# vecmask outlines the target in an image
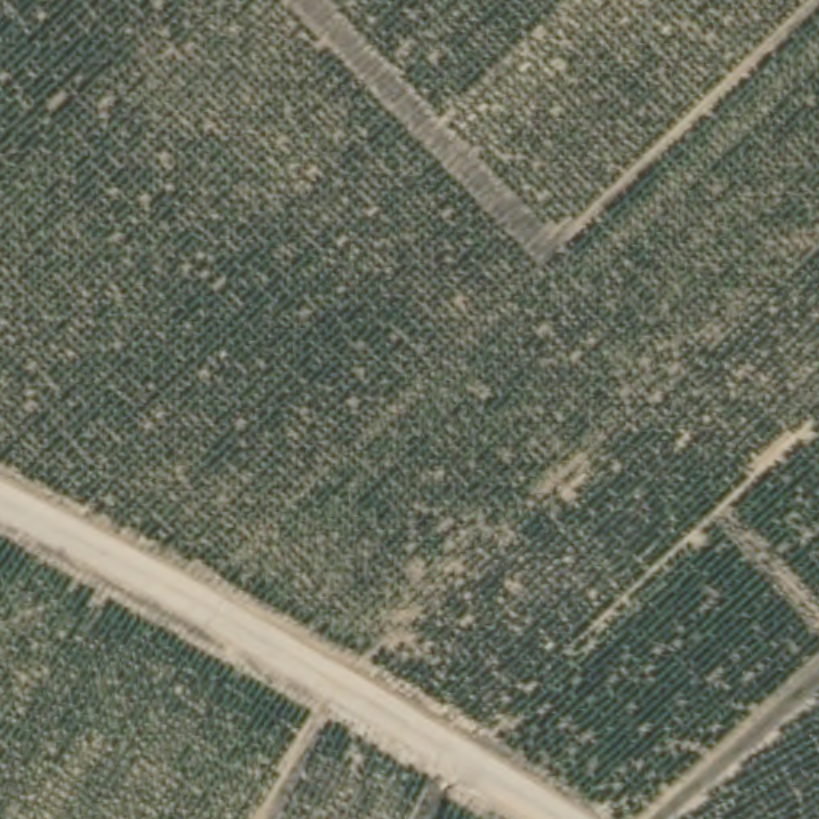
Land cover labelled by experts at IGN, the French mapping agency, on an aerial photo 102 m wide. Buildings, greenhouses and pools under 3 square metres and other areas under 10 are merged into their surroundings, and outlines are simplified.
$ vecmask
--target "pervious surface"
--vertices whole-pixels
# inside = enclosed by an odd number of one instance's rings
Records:
[[[259,605],[253,595],[237,592],[205,563],[182,560],[173,550],[160,550],[144,534],[115,528],[109,518],[93,515],[90,505],[58,496],[42,483],[22,477],[19,483],[10,483],[0,477],[0,534],[26,550],[32,544],[61,547],[74,560],[93,566],[96,573],[195,621],[224,643],[234,643],[243,653],[250,653],[262,669],[256,681],[272,685],[282,675],[307,685],[330,704],[336,723],[342,723],[349,733],[365,736],[397,761],[438,777],[441,790],[473,816],[502,813],[509,819],[592,819],[582,800],[566,800],[553,790],[553,781],[534,781],[528,771],[512,768],[509,761],[448,733],[441,723],[425,720],[416,707],[387,694],[381,685],[358,678],[355,672],[326,656],[333,643],[320,640],[288,614]]]

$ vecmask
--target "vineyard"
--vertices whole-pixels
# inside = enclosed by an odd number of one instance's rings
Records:
[[[243,653],[234,643],[224,643],[195,621],[96,573],[93,566],[74,560],[61,547],[32,544],[26,550],[0,534],[0,819],[509,819],[502,813],[473,816],[441,790],[438,777],[397,761],[365,736],[349,733],[342,723],[336,723],[330,704],[307,685],[282,675],[272,685],[256,681],[262,669],[250,653]]]
[[[109,518],[115,528],[144,534],[160,550],[173,550],[182,560],[205,563],[237,592],[253,595],[259,605],[288,614],[320,640],[333,643],[326,656],[355,672],[358,678],[381,685],[387,694],[416,707],[425,720],[441,723],[448,733],[509,761],[512,768],[528,771],[534,781],[553,781],[553,790],[566,800],[582,800],[592,819],[819,819],[819,0],[0,0],[0,477],[10,483],[19,483],[22,477],[42,483],[58,496],[90,505],[93,515]]]

